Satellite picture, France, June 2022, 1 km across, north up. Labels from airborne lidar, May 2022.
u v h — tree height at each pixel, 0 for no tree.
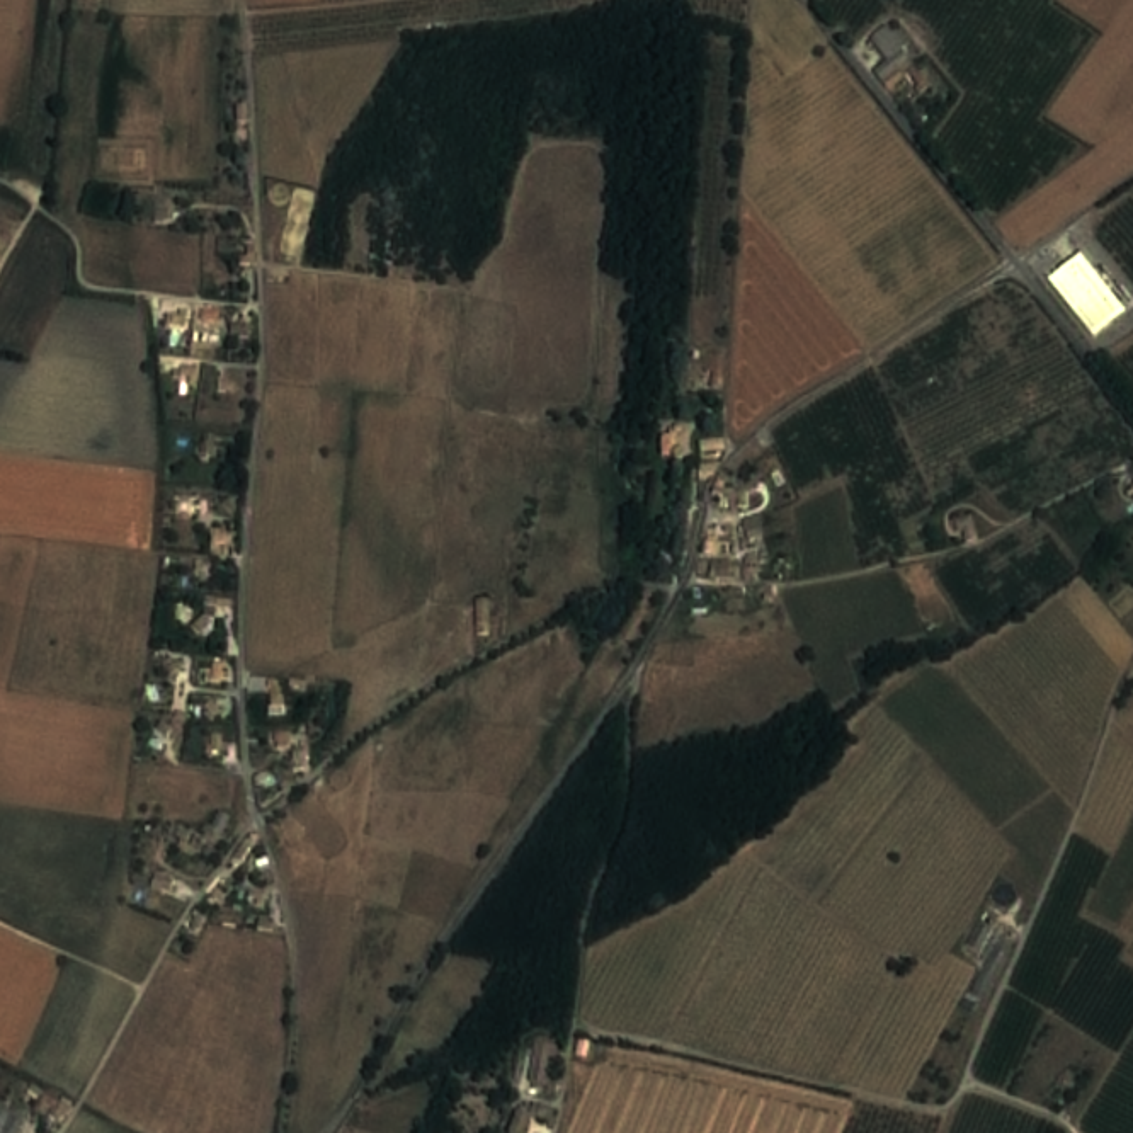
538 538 0
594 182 0
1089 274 0
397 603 0
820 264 0
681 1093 0
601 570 0
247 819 0
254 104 0
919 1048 0
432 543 0
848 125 0
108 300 9
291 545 0
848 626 0
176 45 0
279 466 0
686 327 8
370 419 0
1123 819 0
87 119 0
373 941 0
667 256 20
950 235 0
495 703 0
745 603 0
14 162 0
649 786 14
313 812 0
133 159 0
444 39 8
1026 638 0
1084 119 0
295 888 0
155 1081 0
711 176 0
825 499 0
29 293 0
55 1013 0
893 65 0
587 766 13
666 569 17
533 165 0
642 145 22
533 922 13
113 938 0
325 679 0
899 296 0
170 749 0
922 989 0
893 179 0
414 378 0
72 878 0
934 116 9
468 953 11
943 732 0
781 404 0
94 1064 0
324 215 6
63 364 0
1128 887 0
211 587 11
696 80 14
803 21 0
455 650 0
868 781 0
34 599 0
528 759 0
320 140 0
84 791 0
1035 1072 0
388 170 6
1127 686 7
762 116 0
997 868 0
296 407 0
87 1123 0
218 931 0
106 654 0
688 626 0
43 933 0
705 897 0
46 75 0
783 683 0
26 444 0
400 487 0
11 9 0
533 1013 11
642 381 14
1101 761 0
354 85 0
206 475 0
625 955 0
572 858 11
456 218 7
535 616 0
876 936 0
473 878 0
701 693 0
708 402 20
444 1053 10
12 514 0
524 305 0
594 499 0
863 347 0
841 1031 0
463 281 6
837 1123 0
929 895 0
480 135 10
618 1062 0
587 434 0
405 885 0
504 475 0
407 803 0
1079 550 0
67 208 0
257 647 0
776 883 0
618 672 0
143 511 0
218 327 0
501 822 0
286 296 0
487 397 0
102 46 0
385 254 6
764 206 0
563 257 0
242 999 0
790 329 0
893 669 17
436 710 0
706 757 17
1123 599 0
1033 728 0
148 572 0
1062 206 0
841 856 0
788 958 0
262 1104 0
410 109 9
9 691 0
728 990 0
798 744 9
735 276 0
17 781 0
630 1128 0
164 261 0
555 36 10
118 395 0
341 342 0
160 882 0
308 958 0
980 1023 0
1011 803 0
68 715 0
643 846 16
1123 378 21
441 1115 14
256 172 0
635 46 21
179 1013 0
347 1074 0
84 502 0
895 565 7
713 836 14
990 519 0
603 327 0
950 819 0
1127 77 0
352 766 0
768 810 12
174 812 0
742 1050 0
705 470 0
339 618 0
